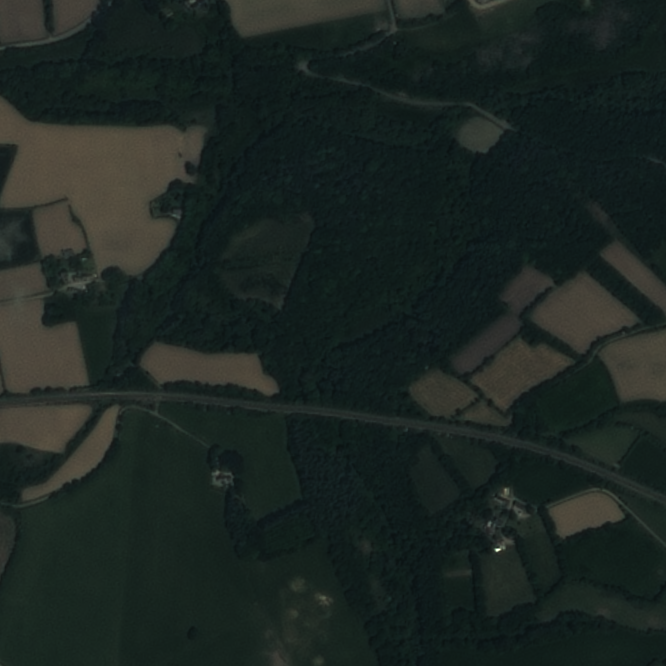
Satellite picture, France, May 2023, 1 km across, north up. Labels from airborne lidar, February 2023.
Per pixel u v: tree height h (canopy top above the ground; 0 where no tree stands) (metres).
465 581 0
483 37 0
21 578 0
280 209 9
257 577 0
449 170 9
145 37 0
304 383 25
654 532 0
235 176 10
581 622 9
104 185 0
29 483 11
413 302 6
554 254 13
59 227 0
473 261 18
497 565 0
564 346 11
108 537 0
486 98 21
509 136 12
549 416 0
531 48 9
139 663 0
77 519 0
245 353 11
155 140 0
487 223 17
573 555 0
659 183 13
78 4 0
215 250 16
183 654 0
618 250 0
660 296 0
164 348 0
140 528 0
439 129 20
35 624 0
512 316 0
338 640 0
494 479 17
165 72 16
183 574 0
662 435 0
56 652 0
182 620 0
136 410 0
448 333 19
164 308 9
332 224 11
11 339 0
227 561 0
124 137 0
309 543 13
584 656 0
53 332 0
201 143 0
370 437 16
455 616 15
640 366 0
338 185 15
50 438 0
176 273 18
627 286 16
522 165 18
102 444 0
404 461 13
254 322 13
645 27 17
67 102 10
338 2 0
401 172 11
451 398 0
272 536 13
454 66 8
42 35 0
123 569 0
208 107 0
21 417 0
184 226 15
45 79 19
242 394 11
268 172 11
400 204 13
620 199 8
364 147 20
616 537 0
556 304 0
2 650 0
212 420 0
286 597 0
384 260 17
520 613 15
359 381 9
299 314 13
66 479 0
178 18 0
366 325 0
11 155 0
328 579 0
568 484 0
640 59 0
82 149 0
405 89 14
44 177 0
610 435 0
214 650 0
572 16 8
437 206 6
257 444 0
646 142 15
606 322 0
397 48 10
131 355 14
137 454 0
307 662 0
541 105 21
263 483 0
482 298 13
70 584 0
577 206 16
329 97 15
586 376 0
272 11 0
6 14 0
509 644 18
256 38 0
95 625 0
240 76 21
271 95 21
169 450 0
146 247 0
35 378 0
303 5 0
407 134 14
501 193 14
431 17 10
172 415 0
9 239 0
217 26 0
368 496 19
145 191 0
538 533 0
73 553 0
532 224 12
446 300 21
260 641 0
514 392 0
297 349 19
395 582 18
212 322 18
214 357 0
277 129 19
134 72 18
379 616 15
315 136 18
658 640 0
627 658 0
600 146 20
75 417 0
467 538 15
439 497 0
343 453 22
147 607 0
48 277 8
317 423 18
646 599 6
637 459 0
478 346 0
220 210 22
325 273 15
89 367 0
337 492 27
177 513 0
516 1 0
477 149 0
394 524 17
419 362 17
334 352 22
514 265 16
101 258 0
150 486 0
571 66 20
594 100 9
